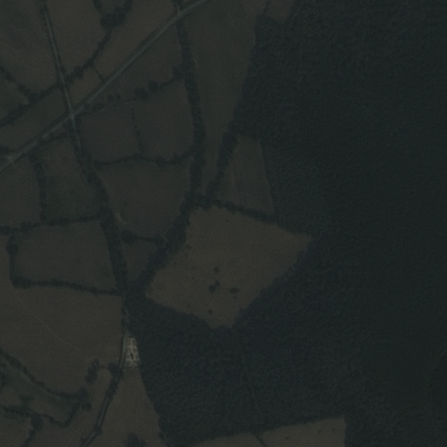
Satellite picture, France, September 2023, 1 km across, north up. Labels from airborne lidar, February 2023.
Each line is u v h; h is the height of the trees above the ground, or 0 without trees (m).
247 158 0
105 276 0
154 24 0
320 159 26
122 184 0
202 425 20
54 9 0
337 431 0
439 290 21
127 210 0
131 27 0
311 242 0
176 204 0
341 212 23
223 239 0
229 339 24
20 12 0
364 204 22
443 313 23
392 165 24
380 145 25
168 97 0
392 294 25
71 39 0
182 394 25
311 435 0
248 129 23
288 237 0
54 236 0
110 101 13
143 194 0
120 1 0
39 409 0
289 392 21
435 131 23
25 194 0
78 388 0
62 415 0
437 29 23
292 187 27
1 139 0
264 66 19
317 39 20
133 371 0
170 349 27
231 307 0
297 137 22
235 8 0
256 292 0
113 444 0
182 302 0
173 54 0
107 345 0
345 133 23
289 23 11
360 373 13
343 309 9
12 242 10
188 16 0
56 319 0
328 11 22
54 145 0
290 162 27
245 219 0
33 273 0
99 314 0
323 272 15
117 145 0
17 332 0
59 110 0
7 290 0
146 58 0
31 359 0
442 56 23
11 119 13
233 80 0
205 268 0
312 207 29
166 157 0
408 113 25
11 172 0
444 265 20
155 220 0
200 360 24
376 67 24
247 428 16
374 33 17
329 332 15
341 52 27
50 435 0
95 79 0
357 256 25
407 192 24
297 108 23
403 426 19
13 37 0
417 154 24
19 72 0
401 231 20
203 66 0
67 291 0
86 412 0
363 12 22
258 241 0
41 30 0
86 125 0
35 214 0
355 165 24
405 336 24
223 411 23
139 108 0
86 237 0
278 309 25
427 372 18
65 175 0
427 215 25
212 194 20
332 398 8
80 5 0
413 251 24
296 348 10
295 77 21
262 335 13
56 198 0
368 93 23
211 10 0
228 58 0
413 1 19
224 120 0
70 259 0
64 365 0
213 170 0
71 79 11
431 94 23
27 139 0
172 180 0
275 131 19
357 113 23
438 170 22
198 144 17
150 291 0
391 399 14
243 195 0
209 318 0
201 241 0
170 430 21
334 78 27
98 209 0
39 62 0
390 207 22
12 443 0
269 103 21
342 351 11
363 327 14
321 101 25
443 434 15
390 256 24
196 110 11
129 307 18
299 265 12
